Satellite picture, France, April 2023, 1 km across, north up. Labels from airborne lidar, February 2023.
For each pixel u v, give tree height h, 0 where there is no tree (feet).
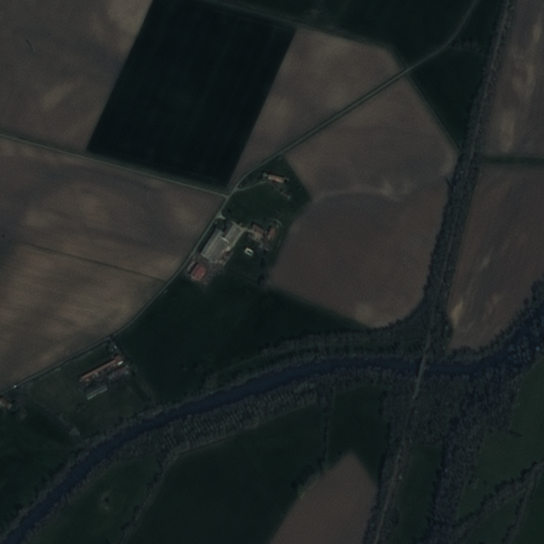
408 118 0
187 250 0
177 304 0
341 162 0
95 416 0
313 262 0
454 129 0
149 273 0
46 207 0
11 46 0
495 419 44
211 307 0
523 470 0
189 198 0
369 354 48
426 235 0
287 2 0
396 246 0
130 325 0
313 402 97
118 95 0
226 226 21
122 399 0
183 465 0
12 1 0
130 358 19
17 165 0
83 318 0
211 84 0
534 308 25
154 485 48
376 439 0
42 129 0
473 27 0
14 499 0
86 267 0
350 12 0
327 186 0
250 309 0
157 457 0
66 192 0
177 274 0
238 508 0
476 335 0
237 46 0
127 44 0
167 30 0
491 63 39
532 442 0
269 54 0
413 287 0
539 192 0
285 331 0
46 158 0
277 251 0
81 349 0
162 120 0
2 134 0
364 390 0
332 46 0
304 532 0
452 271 51
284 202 0
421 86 0
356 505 0
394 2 0
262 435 0
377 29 0
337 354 46
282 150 0
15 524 62
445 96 0
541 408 0
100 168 0
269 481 0
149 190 0
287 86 0
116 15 0
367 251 0
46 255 0
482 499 0
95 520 0
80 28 0
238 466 0
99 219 0
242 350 0
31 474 0
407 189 0
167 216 0
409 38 0
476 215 0
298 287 0
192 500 0
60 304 0
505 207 0
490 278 0
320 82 0
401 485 22
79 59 0
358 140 0
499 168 0
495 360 0
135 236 0
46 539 0
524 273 0
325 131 0
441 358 55
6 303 0
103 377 0
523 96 0
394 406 53
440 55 0
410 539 0
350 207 0
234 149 0
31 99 0
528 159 0
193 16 0
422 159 0
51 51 0
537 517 0
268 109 0
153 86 0
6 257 0
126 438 0
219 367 0
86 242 0
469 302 0
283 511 0
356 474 0
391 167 0
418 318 51
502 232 0
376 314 0
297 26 0
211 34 0
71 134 0
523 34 0
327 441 30
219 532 0
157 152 0
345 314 0
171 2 0
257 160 0
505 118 0
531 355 23
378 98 0
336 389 35
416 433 85
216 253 0
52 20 0
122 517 0
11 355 0
